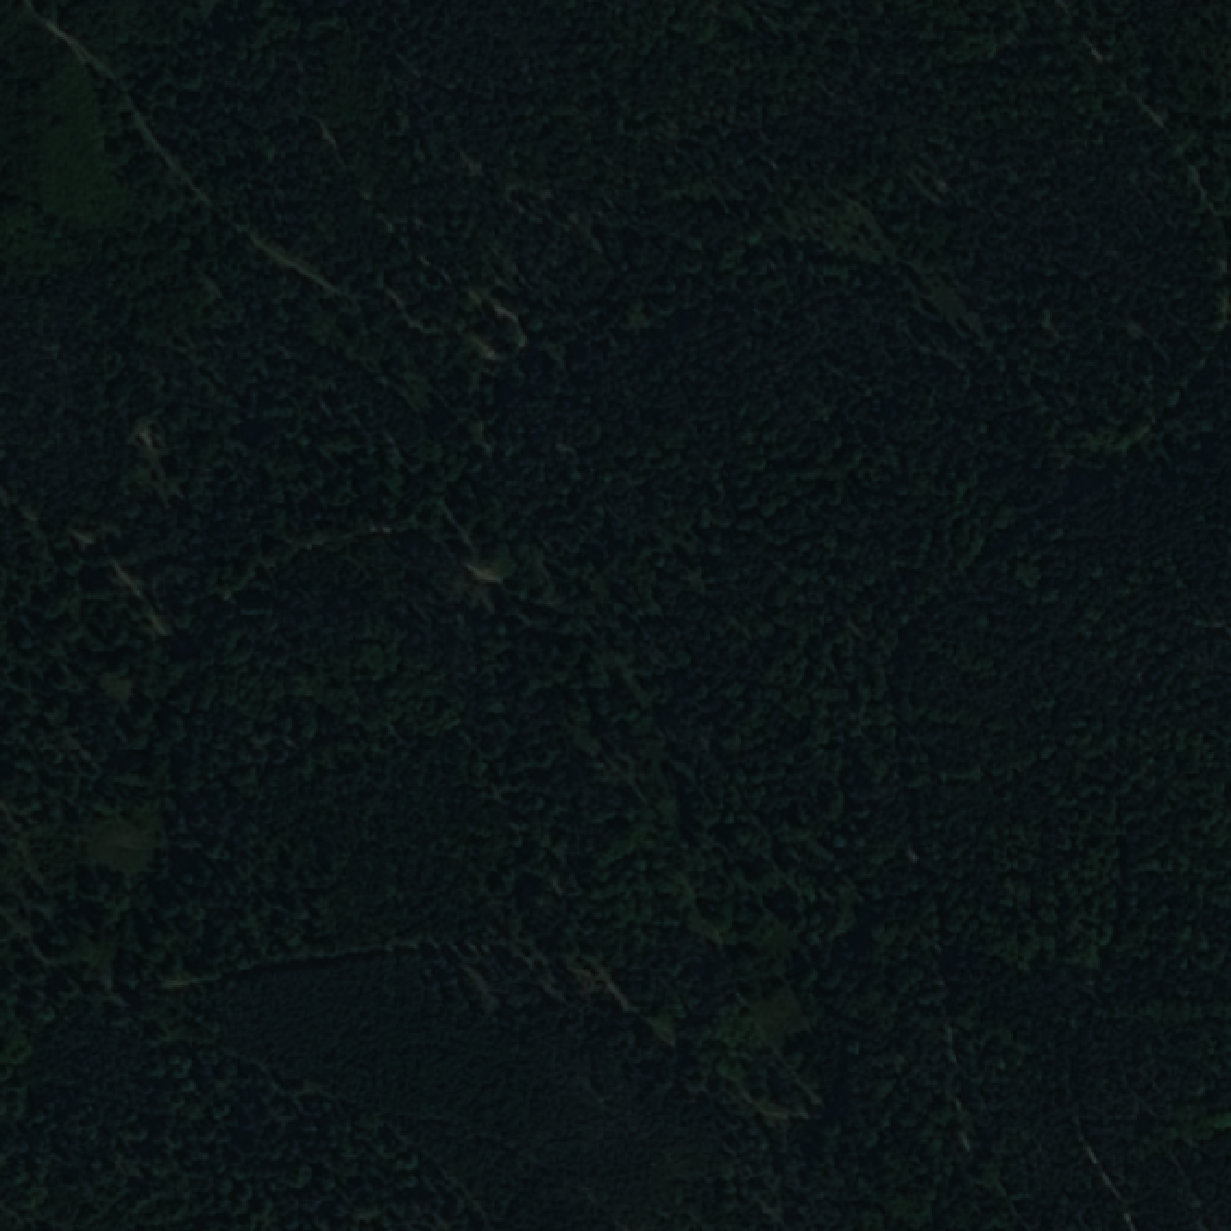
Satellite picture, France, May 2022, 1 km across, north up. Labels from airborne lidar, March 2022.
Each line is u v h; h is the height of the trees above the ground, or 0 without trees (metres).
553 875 28
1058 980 31
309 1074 14
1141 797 28
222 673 32
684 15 28
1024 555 24
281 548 29
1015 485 30
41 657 35
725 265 32
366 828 11
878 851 35
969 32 32
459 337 23
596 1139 15
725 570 32
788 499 30
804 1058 15
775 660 30
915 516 32
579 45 26
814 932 31
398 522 14
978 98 30
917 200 23
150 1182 29
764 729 32
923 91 33
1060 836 30
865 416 31
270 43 34
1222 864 25
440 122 27
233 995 14
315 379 22
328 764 10
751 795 33
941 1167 28
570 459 36
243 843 29
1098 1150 26
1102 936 31
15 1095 9
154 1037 29
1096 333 28
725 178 35
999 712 24
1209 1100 21
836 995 32
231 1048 11
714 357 31
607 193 32
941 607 27
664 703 20
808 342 32
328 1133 27
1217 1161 23
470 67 27
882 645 29
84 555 27
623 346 34
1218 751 26
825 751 33
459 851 11
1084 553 26
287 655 27
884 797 32
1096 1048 23
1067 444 27
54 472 30
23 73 8
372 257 27
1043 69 26
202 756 35
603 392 32
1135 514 29
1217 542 31
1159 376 27
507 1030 14
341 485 30
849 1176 25
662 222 34
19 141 19
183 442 29
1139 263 28
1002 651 24
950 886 29
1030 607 26
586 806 33
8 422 30
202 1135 28
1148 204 24
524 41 28
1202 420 23
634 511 31
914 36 28
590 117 29
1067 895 30
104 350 33
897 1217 27
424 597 31
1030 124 30
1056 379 29
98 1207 15
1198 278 30
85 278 29
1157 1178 25
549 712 34
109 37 20
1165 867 26
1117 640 26
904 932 33
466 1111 18
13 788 26
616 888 32
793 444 27
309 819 18
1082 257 32
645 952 33
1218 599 28
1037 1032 26
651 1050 33
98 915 32
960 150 27
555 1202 17
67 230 26
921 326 32
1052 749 24
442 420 35
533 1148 14
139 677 31
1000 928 26
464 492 26
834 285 36
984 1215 31
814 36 32
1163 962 24
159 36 27
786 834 34
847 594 24
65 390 31
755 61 30
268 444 35
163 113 31
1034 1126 25
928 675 28
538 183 28
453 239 27
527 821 26
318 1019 15
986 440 33
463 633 27
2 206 21
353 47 22
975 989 32
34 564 33
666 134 32
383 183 21
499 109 26
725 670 30
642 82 26
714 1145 18
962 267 32
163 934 34
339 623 33
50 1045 15
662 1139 20
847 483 6
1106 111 25
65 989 28
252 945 27
